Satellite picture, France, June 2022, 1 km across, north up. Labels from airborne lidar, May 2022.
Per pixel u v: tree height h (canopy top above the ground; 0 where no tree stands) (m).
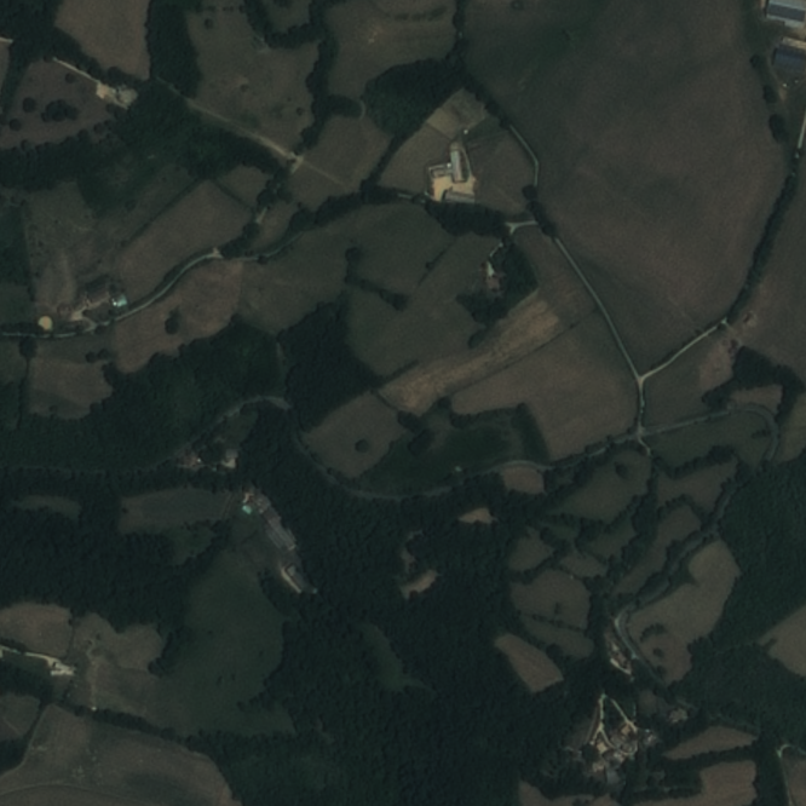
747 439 0
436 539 20
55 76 0
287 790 10
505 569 12
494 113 11
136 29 0
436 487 7
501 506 19
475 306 6
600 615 9
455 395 0
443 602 22
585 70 0
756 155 0
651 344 0
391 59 0
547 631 0
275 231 0
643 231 0
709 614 0
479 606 18
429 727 15
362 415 0
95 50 0
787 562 10
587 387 0
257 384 14
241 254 9
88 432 11
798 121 0
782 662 8
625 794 13
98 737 0
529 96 0
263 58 0
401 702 29
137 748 0
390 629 18
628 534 0
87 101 0
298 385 22
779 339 0
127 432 17
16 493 18
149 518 0
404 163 0
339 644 15
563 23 0
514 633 12
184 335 0
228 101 0
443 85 20
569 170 0
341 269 0
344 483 13
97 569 27
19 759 11
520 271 11
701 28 0
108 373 16
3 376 0
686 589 0
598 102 0
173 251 0
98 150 11
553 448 0
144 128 12
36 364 0
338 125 0
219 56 0
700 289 0
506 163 0
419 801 33
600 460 10
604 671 9
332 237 0
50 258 0
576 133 0
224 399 10
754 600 10
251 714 0
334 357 23
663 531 0
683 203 0
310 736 12
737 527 7
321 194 0
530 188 12
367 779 16
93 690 0
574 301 0
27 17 15
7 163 14
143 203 0
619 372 0
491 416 6
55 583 19
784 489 6
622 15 0
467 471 13
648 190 0
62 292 0
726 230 0
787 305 0
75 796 0
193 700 0
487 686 21
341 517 14
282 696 13
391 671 0
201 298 0
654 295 0
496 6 0
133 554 14
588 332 0
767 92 9
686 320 0
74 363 0
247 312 0
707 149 0
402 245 0
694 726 18
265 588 12
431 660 20
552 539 19
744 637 8
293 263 0
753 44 0
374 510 11
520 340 0
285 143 0
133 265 0
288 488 17
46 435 10
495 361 0
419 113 7
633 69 0
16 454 9
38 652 0
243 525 0
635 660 6
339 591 26
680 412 0
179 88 17
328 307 18
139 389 11
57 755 0
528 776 15
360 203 15
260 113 0
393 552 19
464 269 0
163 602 18
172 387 11
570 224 0
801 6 0
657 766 14
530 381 0
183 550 0
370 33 0
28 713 0
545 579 0
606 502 0
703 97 0
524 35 0
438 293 0
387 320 0
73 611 9
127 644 0
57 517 23
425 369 0
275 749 11
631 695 7
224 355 17
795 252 0
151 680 0
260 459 17
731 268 0
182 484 11
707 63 0
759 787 16
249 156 18
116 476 17
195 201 0
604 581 14
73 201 0
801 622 0
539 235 0
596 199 0
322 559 15
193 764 0
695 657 9
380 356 0
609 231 0
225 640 0
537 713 16
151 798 0
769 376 17
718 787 0
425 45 0
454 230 15
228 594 0
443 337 0
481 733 15
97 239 0
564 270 0
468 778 24
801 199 0
